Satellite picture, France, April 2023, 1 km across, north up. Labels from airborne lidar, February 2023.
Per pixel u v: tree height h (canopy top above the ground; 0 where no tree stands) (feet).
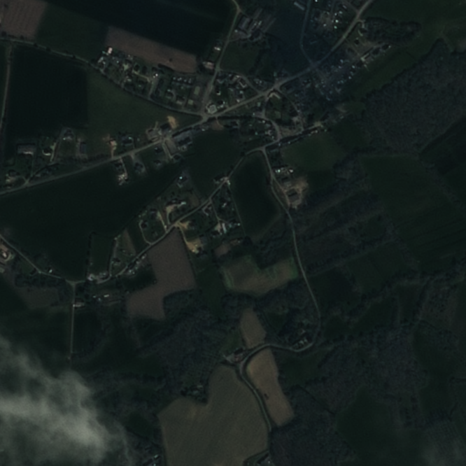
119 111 0
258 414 0
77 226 0
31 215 0
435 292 0
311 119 44
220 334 83
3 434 0
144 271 0
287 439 59
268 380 0
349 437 0
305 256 0
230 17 0
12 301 0
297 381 0
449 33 0
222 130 0
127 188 0
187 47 0
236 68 0
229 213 18
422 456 0
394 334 48
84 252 0
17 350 0
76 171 0
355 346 37
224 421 0
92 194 0
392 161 0
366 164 0
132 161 0
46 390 0
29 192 0
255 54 0
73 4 0
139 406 95
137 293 0
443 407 0
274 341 47
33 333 0
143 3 0
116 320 0
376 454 0
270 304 89
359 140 0
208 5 0
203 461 0
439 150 0
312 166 0
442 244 0
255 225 0
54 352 0
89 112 0
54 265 0
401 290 0
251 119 26
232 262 0
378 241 22
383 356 66
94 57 0
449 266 0
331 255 0
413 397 35
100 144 0
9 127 0
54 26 0
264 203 0
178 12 0
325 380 39
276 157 23
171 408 0
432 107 55
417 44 0
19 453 0
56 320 0
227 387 0
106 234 0
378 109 65
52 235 0
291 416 0
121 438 38
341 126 0
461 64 31
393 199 0
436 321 0
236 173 0
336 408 42
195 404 0
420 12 0
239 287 0
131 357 0
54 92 0
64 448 0
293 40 0
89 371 0
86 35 0
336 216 0
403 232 0
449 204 0
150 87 0
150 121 0
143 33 0
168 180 0
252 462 0
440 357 0
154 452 28
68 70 0
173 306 23
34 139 0
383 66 0
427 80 56
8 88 0
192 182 0
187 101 0
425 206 0
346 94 0
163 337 45
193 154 0
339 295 0
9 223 0
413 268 29
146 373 0
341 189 36
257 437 0
